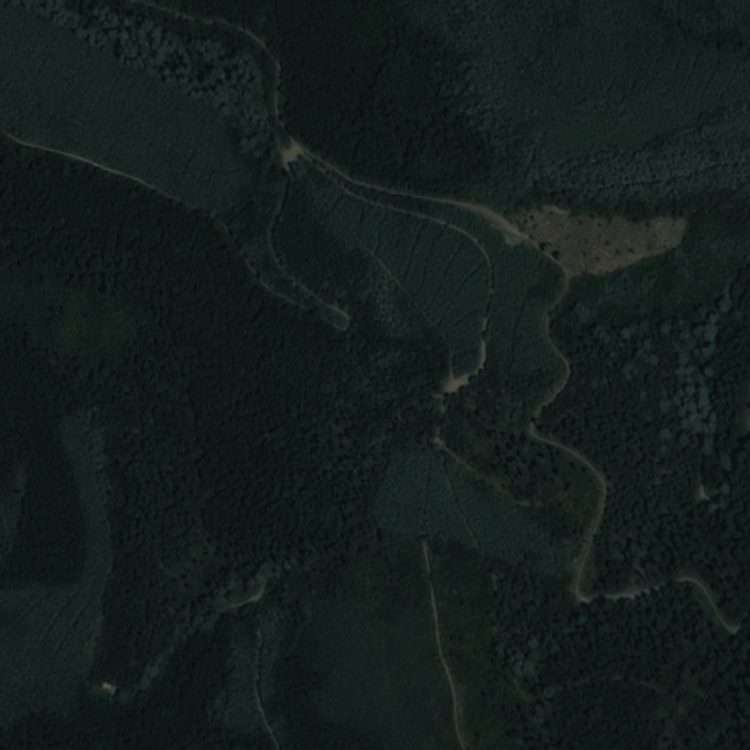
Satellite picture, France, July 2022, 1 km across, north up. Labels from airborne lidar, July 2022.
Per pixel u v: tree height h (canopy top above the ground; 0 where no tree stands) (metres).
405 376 13
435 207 11
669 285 11
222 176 15
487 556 8
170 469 7
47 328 7
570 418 35
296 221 18
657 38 13
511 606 23
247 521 21
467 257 13
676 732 7
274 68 11
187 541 23
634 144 11
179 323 17
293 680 10
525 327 11
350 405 15
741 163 20
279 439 22
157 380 19
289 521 16
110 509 12
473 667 7
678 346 28
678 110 13
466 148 20
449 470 11
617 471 23
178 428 20
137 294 16
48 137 13
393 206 13
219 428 18
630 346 31
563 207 25
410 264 10
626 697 12
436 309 10
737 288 29
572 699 9
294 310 18
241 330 19
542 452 26
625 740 10
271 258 16
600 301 21
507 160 12
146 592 27
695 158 19
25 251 15
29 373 17
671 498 27
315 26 20
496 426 24
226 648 17
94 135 13
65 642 12
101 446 18
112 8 11
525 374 8
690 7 18
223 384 23
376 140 14
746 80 13
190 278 16
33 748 31
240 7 21
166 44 34
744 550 33
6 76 14
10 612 9
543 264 9
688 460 24
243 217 14
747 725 14
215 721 10
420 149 15
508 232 0
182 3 16
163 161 11
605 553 12
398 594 7
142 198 21
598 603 10
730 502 12
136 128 12
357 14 11
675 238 0
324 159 12
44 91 12
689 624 21
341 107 22
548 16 15
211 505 23
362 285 14
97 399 18
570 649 18
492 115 11
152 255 21
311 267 15
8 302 6
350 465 24
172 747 13
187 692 25
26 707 16
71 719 9
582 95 12
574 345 7
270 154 33
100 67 15
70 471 15
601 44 11
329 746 11
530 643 33
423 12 13
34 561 8
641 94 13
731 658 7
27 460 15
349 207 14
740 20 10
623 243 0
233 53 8
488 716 8
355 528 16
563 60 10
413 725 6
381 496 11
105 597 9
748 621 15
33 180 19
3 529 10
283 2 20
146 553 28
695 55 10
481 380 15
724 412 24
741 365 19
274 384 18
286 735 11
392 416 15
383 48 11
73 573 12
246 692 14
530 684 26
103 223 17
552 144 9
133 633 30
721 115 16
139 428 27
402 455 11
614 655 17
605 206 19
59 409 20
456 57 8
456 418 7
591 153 12
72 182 16
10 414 7
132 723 21
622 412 27
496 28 10
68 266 20
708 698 9
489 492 12
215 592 26
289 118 17
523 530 13
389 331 12
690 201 22
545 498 7
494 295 10
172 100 14
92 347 7
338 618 5
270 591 8
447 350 10
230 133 10
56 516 18
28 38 12
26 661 9
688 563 32
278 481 15
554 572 14
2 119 12
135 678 20
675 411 23
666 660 21
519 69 13
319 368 15
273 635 8
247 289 25
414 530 11
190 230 21
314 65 22
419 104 19
